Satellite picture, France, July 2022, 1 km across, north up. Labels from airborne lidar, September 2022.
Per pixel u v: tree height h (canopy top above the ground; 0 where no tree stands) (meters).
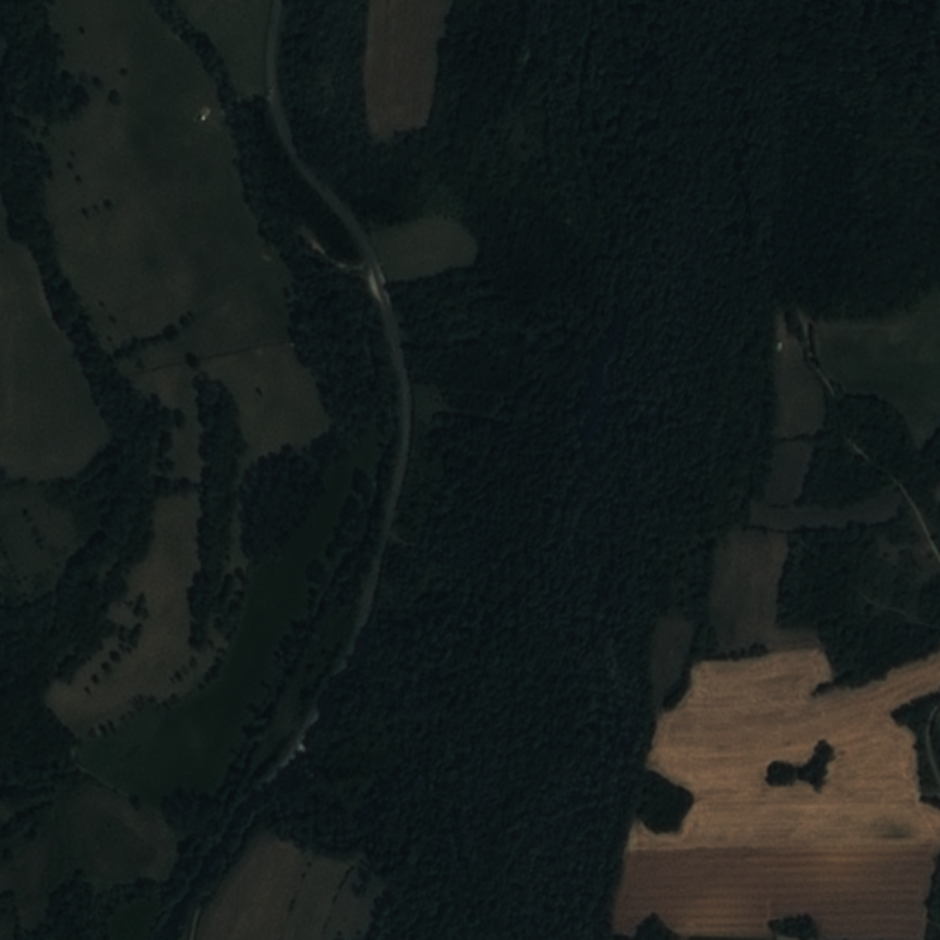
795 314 9
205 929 0
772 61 17
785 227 15
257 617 0
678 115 20
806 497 10
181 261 0
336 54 6
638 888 0
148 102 0
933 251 19
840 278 15
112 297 0
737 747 0
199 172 0
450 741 20
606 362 40
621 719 20
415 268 0
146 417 25
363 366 20
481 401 7
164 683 0
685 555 11
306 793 40
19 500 0
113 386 33
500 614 19
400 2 0
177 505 0
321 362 21
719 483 9
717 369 20
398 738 7
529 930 18
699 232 16
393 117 0
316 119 7
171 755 0
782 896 0
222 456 26
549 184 13
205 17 0
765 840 0
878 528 6
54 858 0
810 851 0
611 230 13
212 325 0
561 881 15
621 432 23
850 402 9
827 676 0
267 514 36
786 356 0
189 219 0
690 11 18
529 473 29
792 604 14
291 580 0
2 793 23
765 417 7
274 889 0
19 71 29
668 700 7
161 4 22
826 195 15
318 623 14
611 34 13
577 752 23
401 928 12
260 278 0
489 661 19
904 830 0
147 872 0
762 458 17
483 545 16
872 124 13
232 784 15
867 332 0
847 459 13
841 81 23
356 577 11
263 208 20
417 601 11
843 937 0
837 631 8
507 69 9
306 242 12
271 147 17
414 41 0
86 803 0
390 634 15
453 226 0
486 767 24
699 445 16
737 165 7
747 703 0
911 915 0
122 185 0
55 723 14
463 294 10
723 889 0
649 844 0
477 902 18
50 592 6
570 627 14
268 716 16
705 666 0
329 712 19
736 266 19
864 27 27
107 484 10
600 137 18
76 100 15
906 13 33
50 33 14
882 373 0
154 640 0
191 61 0
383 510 20
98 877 0
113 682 0
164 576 0
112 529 24
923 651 14
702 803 0
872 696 0
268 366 0
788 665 0
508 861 15
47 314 0
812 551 12
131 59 0
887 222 8
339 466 0
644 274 19
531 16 17
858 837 0
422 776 23
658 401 21
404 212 10
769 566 0
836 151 12
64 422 0
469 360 11
